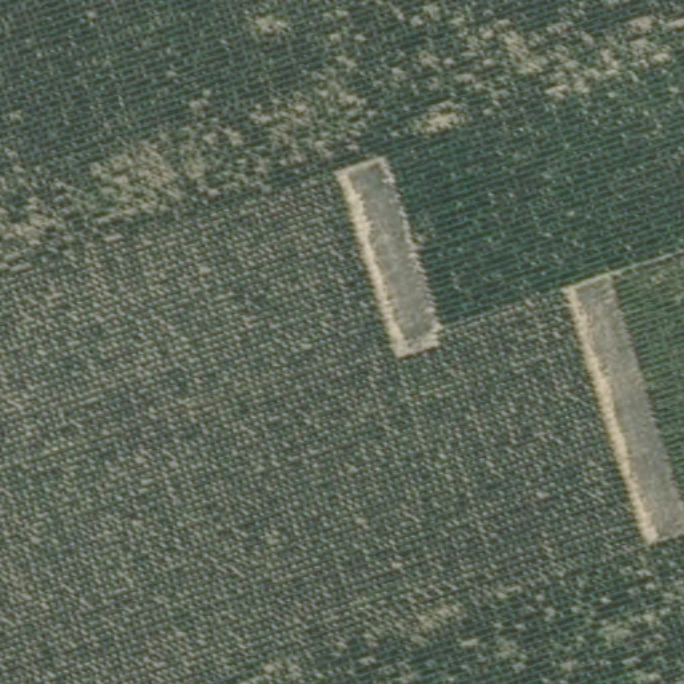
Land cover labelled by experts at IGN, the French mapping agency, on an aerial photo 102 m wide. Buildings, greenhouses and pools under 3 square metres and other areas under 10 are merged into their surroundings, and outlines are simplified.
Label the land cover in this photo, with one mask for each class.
<instances>
[{"label":"vineyard","instance_id":"1","mask_svg":"<svg viewBox=\"0 0 684 684\"><path fill-rule=\"evenodd\" d=\"M0 684H684V0H0Z\"/></svg>","mask_w":684,"mask_h":684}]
</instances>
